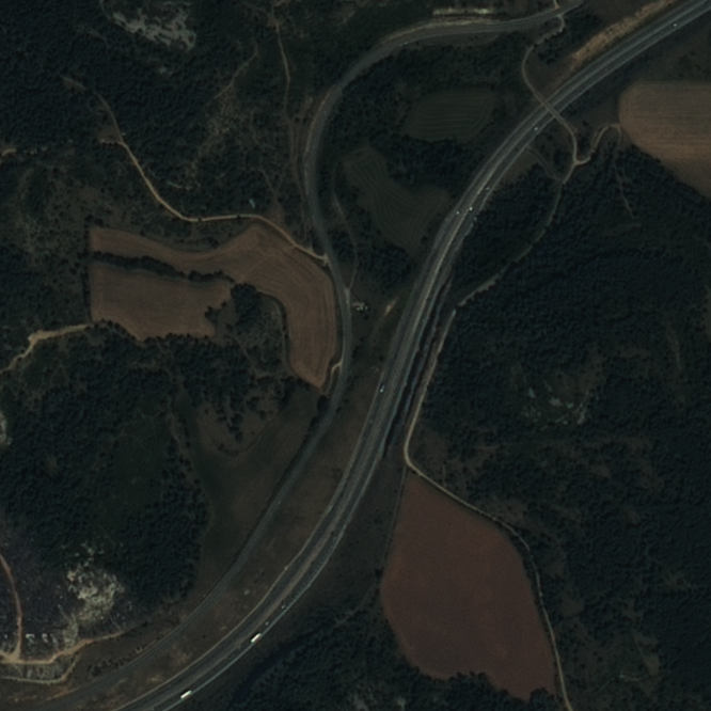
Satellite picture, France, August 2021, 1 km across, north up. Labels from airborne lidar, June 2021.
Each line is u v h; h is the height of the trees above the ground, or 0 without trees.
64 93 18
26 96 18
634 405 11
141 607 11
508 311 13
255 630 0
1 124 10
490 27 0
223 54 12
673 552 14
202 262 0
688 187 8
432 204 0
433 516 0
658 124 0
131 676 0
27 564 14
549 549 10
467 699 12
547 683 0
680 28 0
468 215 0
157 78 12
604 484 12
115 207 0
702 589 10
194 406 9
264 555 0
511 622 0
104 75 19
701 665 15
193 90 8
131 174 8
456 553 0
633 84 0
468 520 0
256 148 9
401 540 0
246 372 10
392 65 17
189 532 12
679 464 12
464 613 0
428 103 0
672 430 14
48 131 12
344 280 0
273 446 0
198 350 12
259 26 9
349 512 0
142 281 0
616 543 11
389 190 0
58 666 0
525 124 0
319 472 0
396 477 0
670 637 15
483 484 11
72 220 6
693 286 13
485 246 6
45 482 21
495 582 0
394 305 0
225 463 0
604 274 14
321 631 6
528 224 17
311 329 0
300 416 0
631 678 0
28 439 14
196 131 10
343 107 5
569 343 12
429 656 0
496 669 0
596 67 0
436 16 0
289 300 0
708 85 0
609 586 11
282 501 0
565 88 0
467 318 8
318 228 0
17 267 14
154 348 12
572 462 7
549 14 0
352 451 0
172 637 0
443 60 11
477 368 12
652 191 12
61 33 14
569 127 0
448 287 0
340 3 6
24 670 0
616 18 0
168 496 10
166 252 0
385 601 0
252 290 9
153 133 9
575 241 15
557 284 14
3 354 6
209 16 7
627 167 11
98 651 0
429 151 15
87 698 0
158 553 12
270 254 0
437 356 0
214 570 0
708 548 12
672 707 9
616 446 8
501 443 8
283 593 0
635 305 9
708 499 10
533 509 7
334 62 8
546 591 12
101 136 0
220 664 0
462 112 0
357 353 7
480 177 0
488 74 10
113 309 0
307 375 0
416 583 0
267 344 6
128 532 8
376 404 0
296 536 0
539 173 12
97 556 7
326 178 14
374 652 9
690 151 0
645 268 13
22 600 13
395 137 8
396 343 0
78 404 9
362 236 10
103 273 0
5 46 15
